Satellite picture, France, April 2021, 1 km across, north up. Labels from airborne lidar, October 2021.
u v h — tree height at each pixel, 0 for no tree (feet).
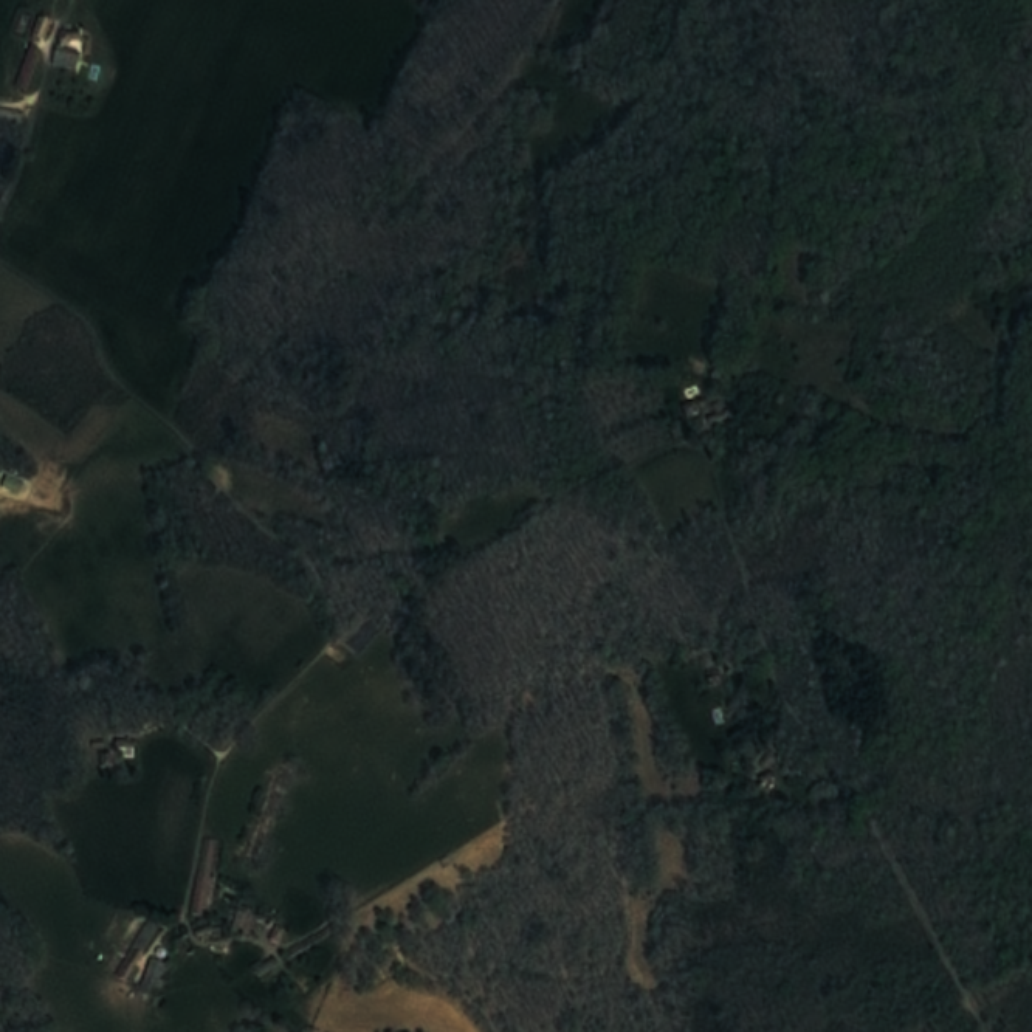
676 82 81
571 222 87
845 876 52
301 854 0
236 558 30
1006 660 35
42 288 0
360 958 49
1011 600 32
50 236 0
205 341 74
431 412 66
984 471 82
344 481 76
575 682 46
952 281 44
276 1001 56
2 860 0
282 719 0
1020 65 52
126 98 0
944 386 71
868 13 58
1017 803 48
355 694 0
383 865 0
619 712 49
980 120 73
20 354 0
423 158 66
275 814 38
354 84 0
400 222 81
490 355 90
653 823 78
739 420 76
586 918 47
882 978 35
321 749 0
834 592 75
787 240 85
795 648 53
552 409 73
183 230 0
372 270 55
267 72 0
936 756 54
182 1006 0
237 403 24
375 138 73
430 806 0
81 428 0
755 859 71
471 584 59
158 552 70
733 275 78
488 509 0
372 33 0
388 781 0
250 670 0
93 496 0
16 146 42
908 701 59
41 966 62
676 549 51
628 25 52
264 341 83
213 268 52
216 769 0
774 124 73
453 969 63
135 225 0
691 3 76
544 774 62
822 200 87
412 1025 0
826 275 80
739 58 79
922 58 83
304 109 53
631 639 47
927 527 39
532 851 53
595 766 65
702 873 85
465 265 94
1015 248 70
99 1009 0
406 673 63
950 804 39
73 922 0
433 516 78
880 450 98
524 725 47
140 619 0
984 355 42
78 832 0
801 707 55
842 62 68
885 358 63
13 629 59
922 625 64
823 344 0
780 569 23
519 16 50
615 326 98
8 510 0
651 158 66
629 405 47
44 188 0
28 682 40
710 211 79
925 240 54
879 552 62
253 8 0
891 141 103
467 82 56
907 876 37
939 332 45
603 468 55
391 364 73
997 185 56
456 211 64
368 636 0
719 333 73
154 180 0
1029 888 62
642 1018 74
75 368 0
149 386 0
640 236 82
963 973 53
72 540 0
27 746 57
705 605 41
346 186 53
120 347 0
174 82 0
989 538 37
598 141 35
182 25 0
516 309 33
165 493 33
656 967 66
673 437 38
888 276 45
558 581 60
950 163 68
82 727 79
